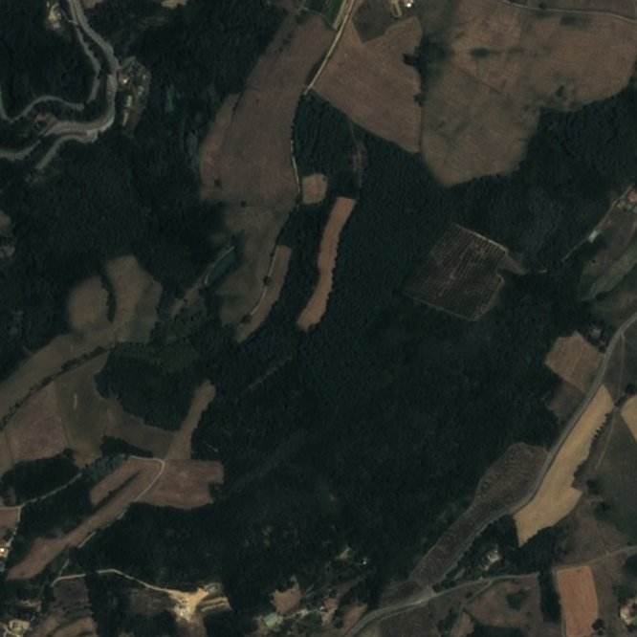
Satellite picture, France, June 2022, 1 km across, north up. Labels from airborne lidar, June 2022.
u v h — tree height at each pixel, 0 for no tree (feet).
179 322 41
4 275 36
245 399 39
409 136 0
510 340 43
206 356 49
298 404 25
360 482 52
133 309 0
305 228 22
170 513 42
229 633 46
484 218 28
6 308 25
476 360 31
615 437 0
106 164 42
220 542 38
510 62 0
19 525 31
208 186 0
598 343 31
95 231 60
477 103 0
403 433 33
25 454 0
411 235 58
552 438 26
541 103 0
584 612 0
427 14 0
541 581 21
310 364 52
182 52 20
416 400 50
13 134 53
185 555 30
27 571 0
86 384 0
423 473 47
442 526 24
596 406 0
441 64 0
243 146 0
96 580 44
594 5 0
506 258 0
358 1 0
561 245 28
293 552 43
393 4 0
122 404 34
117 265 0
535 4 0
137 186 85
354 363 66
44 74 71
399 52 0
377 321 37
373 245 68
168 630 34
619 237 0
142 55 22
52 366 0
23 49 82
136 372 53
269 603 28
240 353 72
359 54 0
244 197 0
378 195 69
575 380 0
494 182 36
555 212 27
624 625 0
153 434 0
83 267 39
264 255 0
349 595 39
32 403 0
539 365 39
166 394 48
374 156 52
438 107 0
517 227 38
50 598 37
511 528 26
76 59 25
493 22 0
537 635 0
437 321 31
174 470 0
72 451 35
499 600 0
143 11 30
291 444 38
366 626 0
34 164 26
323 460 47
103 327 0
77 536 0
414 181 55
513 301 19
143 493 0
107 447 31
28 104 53
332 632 0
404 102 0
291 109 0
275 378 37
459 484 26
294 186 0
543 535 38
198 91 31
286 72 0
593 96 0
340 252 57
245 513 20
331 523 31
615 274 0
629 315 0
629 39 0
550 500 0
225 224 0
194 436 32
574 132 64
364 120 0
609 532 0
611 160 68
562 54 0
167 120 37
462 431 58
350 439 45
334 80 0
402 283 19
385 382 50
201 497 0
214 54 63
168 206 32
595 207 31
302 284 36
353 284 64
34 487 23
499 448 31
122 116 22
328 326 61
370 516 59
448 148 0
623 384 0
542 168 34
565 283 22
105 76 39
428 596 0
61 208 59
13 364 28
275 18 44
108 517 0
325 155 64
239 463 23
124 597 41
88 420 0
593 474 0
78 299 0
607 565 0
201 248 66
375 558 20
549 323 30
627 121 29
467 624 0
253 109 0
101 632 31
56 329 38
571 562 0
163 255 60
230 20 51
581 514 0
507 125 0
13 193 69
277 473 39
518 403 44
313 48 0
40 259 52
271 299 0
